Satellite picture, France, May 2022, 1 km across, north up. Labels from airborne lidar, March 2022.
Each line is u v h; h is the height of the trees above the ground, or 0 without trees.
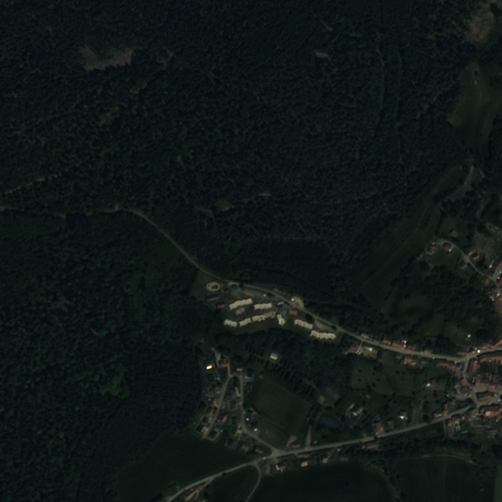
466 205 23
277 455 0
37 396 24
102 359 37
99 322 34
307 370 17
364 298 20
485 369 0
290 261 10
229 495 0
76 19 30
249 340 19
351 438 0
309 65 9
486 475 0
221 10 25
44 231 16
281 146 26
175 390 20
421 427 0
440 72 28
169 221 19
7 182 12
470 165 0
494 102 0
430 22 14
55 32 28
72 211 16
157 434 17
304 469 0
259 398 0
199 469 0
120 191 25
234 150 10
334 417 0
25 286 13
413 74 21
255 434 0
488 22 0
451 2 28
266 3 25
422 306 0
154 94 15
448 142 23
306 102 29
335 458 0
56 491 26
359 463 0
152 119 21
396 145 16
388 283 0
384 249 0
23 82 9
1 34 29
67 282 22
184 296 24
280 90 27
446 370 0
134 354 21
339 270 22
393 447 7
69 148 33
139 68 26
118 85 36
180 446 0
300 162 8
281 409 0
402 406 0
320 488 0
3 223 20
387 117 18
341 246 25
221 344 13
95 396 21
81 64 30
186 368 21
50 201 16
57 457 34
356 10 16
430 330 0
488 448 0
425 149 20
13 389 25
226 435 7
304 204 25
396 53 6
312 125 30
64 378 32
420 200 26
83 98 13
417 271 10
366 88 32
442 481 0
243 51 26
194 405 22
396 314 0
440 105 29
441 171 24
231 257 15
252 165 34
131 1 28
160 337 24
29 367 29
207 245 17
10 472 28
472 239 8
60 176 34
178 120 11
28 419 29
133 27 30
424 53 14
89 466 17
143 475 0
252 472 0
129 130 18
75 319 31
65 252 40
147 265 18
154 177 21
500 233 0
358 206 25
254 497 0
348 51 36
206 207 14
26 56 19
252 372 0
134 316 35
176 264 0
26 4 29
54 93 11
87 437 29
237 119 16
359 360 6
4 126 19
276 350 20
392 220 23
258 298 0
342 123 28
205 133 33
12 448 26
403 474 0
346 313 24
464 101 0
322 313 16
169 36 31
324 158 28
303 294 22
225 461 0
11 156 13
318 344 12
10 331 29
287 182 26
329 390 0
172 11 33
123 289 29
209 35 32
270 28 20
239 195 14
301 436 0
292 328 0
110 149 20
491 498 0
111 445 18
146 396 16
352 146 30
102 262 22
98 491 19
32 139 19
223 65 7
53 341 35
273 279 26
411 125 17
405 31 17
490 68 0
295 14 15
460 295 13
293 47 14
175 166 38
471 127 0
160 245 10
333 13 17
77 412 25
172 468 0
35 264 19
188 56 33
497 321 0
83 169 6
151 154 18
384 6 15
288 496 0
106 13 25
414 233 0
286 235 31
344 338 6
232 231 36
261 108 9
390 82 12
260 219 14
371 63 34
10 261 16
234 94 10
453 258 0
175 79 28
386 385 0
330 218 17
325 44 18
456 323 0
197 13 36
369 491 0
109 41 27
